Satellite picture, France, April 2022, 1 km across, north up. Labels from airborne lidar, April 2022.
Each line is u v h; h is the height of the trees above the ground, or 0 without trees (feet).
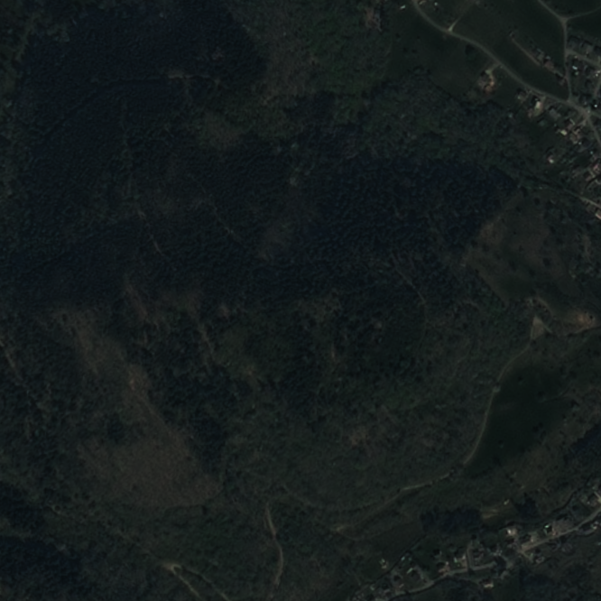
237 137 101
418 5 0
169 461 65
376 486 61
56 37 79
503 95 0
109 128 62
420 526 19
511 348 57
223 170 80
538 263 0
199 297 73
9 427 94
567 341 48
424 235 98
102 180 44
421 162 57
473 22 0
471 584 25
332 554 85
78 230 73
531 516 94
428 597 0
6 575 56
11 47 26
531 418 0
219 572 69
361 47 59
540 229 0
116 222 40
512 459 0
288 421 67
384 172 73
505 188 125
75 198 67
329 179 56
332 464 37
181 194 67
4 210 43
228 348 41
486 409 22
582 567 0
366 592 0
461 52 0
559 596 24
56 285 71
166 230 52
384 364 33
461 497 25
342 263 95
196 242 98
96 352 52
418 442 59
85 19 18
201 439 86
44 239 100
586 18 0
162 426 64
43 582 53
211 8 61
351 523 42
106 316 59
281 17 55
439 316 40
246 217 104
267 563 72
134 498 54
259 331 38
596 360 47
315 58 23
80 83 56
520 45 0
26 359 73
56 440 69
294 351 37
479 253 0
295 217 57
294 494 72
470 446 56
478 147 28
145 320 45
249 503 80
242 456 30
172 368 32
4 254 78
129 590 80
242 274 93
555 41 0
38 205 83
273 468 86
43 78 73
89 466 84
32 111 65
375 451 69
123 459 63
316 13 71
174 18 68
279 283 69
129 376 56
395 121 53
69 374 84
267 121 30
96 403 73
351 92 49
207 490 68
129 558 29
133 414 30
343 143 108
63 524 20
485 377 66
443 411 17
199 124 68
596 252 39
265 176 94
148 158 67
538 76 0
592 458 106
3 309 31
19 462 85
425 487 26
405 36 0
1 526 18
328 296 35
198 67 68
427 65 0
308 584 84
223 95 27
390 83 42
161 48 65
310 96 83
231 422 25
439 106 42
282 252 60
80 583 94
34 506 39
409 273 39
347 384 39
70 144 69
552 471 35
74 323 40
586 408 24
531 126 0
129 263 57
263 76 87
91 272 62
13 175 28
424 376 43
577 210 28
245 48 104
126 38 88
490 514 0
